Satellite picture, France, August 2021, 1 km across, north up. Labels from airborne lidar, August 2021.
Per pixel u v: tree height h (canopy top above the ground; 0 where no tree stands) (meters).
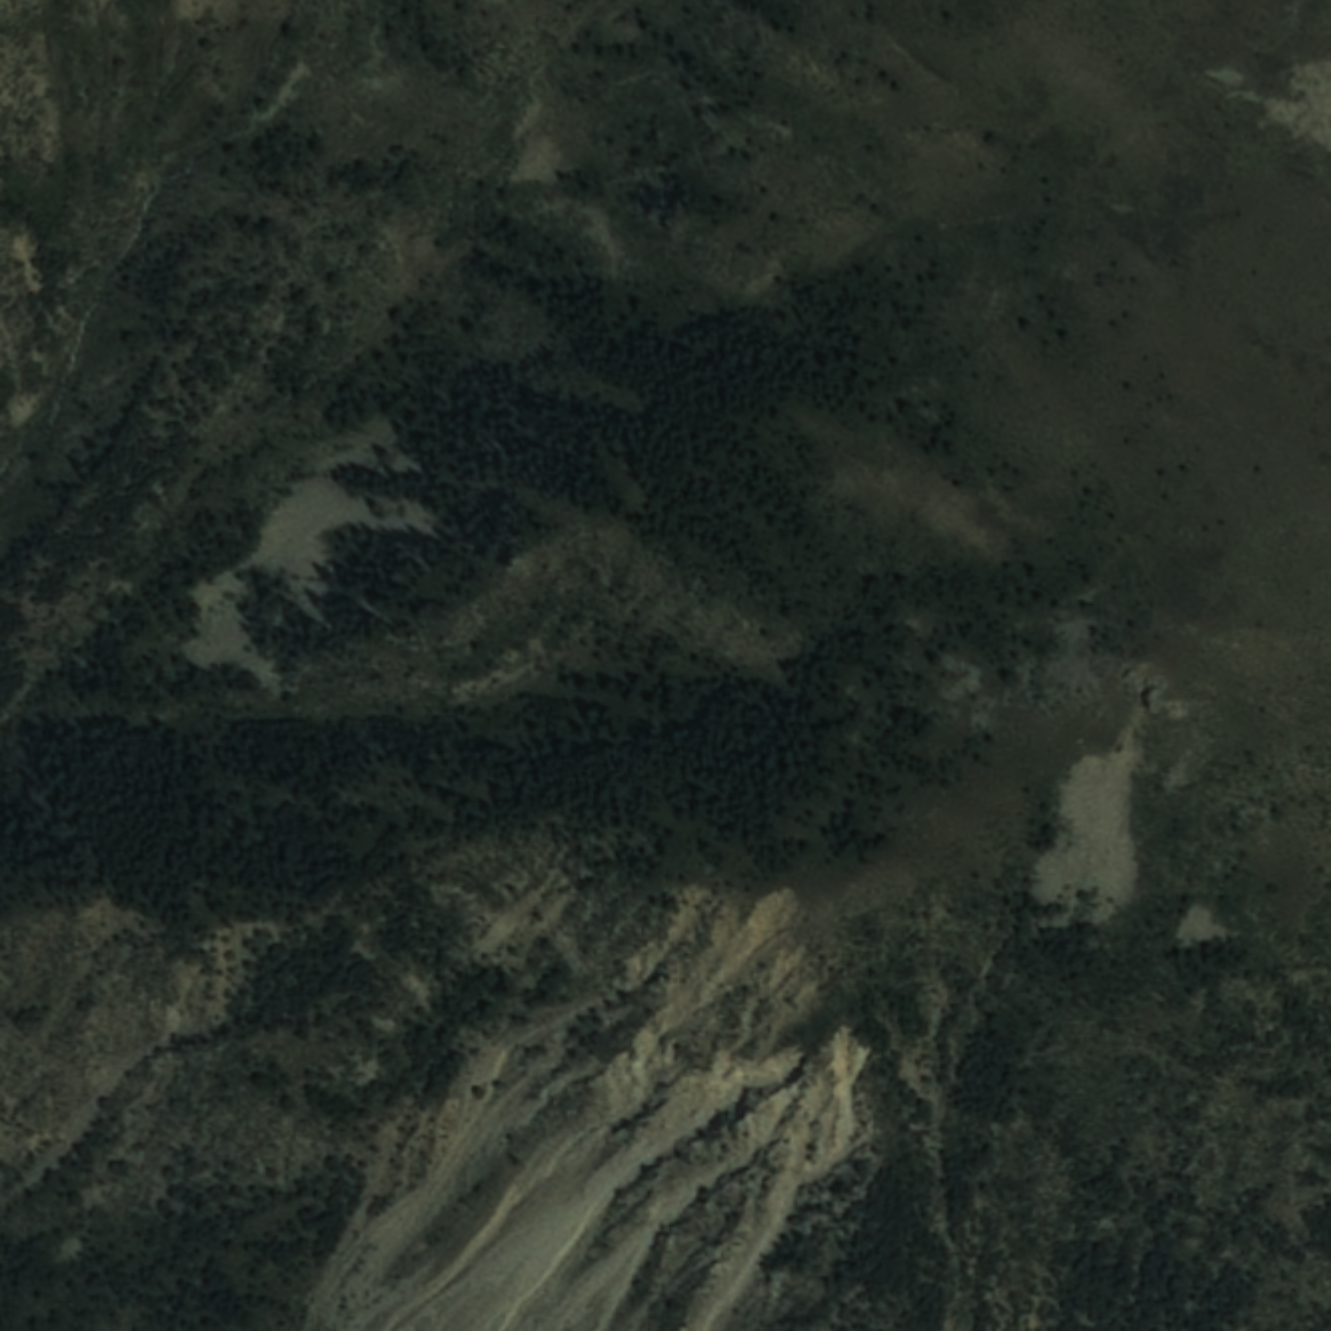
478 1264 0
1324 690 0
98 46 0
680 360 19
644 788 9
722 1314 0
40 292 7
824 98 0
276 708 0
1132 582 0
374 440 0
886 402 0
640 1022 0
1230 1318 7
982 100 0
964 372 0
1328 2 0
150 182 0
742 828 11
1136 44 0
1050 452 0
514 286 8
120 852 18
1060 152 0
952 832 0
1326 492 0
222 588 0
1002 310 0
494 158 0
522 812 13
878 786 13
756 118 0
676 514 14
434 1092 12
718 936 0
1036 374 0
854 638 11
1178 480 0
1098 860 0
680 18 0
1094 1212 13
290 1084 6
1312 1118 7
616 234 0
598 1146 0
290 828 9
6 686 11
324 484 0
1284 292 0
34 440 0
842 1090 0
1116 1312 13
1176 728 0
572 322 11
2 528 0
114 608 11
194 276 7
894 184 0
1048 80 0
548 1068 0
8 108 0
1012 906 15
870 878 0
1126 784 0
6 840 19
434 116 0
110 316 0
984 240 0
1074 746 0
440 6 0
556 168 0
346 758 7
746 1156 0
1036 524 0
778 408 7
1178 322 0
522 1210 0
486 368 8
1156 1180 9
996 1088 14
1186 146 0
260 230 12
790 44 0
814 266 0
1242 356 0
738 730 17
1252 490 0
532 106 0
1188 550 0
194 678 11
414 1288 0
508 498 9
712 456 11
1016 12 0
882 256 0
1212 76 0
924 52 0
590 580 6
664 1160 0
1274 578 0
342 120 0
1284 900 0
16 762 0
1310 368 0
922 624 0
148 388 6
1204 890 0
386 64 0
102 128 0
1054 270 0
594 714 22
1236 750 0
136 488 9
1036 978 7
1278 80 0
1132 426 0
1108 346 0
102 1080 0
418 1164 0
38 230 6
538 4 0
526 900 0
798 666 15
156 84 0
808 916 0
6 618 9
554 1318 0
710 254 0
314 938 7
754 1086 0
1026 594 10
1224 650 0
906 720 14
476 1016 10
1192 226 0
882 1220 11
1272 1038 9
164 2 0
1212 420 0
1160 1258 10
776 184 0
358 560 8
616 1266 0
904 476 0
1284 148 0
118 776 16
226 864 8
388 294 0
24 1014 10
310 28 0
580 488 13
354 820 7
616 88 0
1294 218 0
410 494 7
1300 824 0
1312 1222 13
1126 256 0
